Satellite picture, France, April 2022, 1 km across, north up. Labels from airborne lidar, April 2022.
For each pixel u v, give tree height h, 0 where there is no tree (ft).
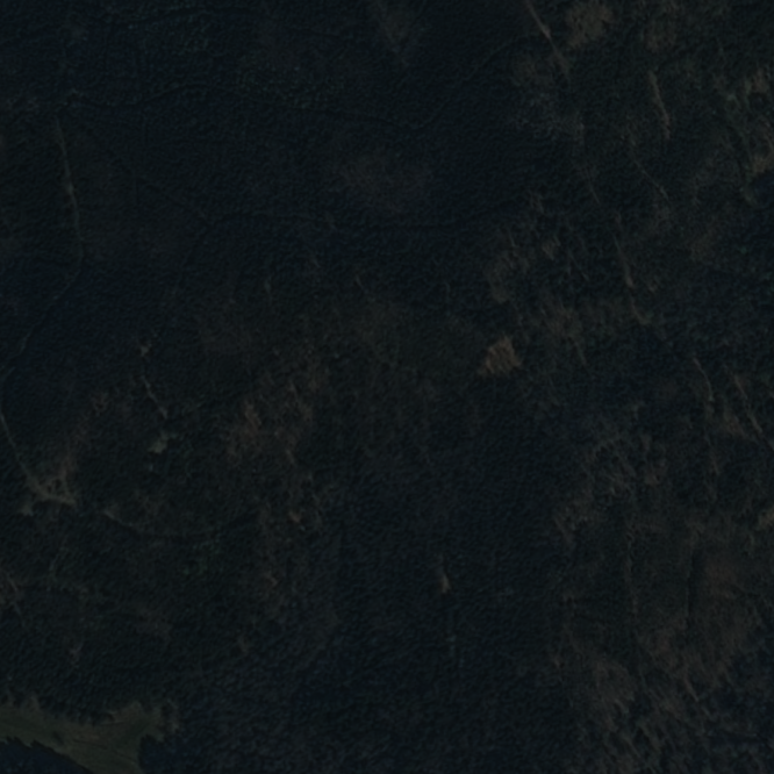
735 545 61
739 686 72
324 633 96
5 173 66
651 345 81
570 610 58
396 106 102
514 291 70
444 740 112
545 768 88
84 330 75
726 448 72
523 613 64
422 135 85
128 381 72
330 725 94
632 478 80
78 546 82
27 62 53
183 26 83
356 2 90
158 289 75
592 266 82
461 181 74
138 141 72
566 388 57
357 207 88
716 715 116
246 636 92
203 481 80
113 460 62
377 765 104
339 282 59
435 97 73
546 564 60
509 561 66
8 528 86
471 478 79
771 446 88
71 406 58
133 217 54
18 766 104
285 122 82
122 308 67
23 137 54
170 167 62
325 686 98
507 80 49
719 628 66
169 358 73
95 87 73
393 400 75
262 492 94
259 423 93
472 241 99
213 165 75
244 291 55
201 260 58
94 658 93
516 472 77
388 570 89
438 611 95
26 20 62
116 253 64
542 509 78
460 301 60
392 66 118
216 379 78
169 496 66
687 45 70
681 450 84
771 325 88
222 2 81
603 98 82
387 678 101
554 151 76
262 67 77
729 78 59
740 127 63
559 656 42
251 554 88
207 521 70
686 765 56
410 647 103
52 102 66
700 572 53
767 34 80
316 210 79
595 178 83
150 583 90
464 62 57
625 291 70
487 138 72
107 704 89
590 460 63
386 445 68
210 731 101
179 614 91
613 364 74
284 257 69
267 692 83
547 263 82
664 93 66
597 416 92
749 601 51
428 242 93
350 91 90
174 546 80
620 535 66
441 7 68
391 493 87
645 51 87
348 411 92
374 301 71
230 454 96
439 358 65
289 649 98
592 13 52
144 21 68
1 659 66
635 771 103
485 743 96
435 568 78
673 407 65
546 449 65
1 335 69
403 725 105
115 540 73
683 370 82
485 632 80
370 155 85
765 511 21
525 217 75
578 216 65
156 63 103
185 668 91
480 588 76
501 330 61
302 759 107
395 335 74
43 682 88
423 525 88
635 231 77
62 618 82
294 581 108
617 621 84
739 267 78
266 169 81
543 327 55
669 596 60
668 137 68
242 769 118
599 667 50
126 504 51
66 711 99
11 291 79
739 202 68
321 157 75
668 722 51
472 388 74
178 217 63
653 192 72
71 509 64
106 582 66
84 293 61
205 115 72
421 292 73
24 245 64
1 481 62
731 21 82
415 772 99
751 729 68
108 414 70
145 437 64
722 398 68
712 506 50
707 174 63
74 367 73
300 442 107
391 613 93
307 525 82
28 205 65
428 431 100
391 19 79
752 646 69
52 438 59
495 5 56
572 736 59
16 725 0
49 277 81
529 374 69
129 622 96
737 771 60
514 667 74
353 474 105
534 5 47
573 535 71
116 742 0
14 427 61
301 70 92
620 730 67
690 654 64
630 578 56
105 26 79
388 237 91
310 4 89
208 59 79
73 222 63
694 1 88
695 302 90
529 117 77
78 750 0
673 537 67
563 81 50
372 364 79
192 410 56
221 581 97
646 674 57
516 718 92
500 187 70
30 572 91
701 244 72
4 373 70
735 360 84
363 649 91
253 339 72
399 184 83
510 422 79
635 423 22
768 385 72
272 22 76
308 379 87
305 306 83
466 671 80
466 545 80
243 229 66
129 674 84
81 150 47
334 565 95
